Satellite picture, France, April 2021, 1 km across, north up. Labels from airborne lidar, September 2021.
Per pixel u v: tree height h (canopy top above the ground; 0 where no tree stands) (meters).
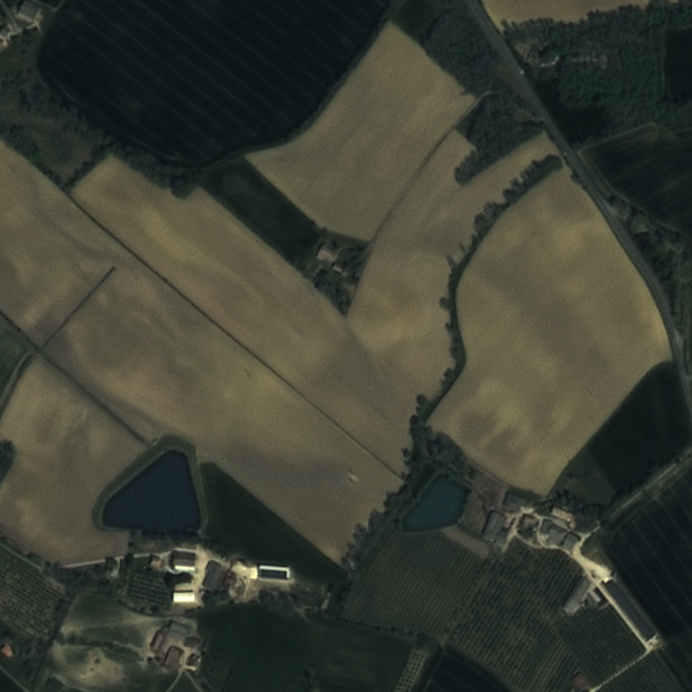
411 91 0
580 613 6
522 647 6
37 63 0
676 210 0
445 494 0
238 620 0
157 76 0
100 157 18
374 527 16
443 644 0
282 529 0
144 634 0
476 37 12
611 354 0
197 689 0
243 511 0
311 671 0
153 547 0
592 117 0
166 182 17
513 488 0
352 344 0
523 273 0
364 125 0
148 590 5
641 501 0
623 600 0
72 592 14
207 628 0
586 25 12
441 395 0
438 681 0
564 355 0
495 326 0
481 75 17
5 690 0
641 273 0
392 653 0
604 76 18
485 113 18
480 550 0
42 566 11
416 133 0
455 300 0
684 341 11
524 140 21
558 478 0
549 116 0
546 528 0
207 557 0
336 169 0
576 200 0
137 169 20
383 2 0
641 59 21
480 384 0
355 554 16
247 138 0
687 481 0
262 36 0
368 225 0
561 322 0
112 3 0
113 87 0
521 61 10
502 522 0
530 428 0
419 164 0
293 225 0
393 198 0
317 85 0
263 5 0
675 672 0
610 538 0
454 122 0
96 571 7
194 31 0
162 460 0
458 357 15
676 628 0
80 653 0
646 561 0
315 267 0
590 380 0
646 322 0
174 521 0
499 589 5
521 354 0
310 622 0
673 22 25
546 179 17
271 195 0
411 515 0
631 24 23
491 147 21
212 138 0
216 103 0
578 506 14
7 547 13
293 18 0
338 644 0
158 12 0
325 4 0
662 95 6
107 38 0
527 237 0
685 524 0
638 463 0
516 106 20
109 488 0
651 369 0
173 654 0
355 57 0
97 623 0
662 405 0
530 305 0
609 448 0
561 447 0
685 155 0
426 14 0
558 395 0
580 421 0
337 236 0
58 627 18
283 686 0
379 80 0
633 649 6
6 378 0
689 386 0
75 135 20
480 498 0
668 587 0
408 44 0
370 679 0
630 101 17
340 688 0
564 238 0
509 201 17
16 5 0
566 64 23
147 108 0
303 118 0
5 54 0
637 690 6
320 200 0
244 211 0
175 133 0
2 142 15
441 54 17
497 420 0
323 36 0
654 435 0
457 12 10
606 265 0
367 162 0
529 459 0
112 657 0
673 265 21
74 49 0
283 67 0
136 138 0
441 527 0
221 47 0
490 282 0
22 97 0
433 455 27
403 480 8
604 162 0
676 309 15
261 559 0
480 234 10
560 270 0
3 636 7
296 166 0
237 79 0
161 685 0
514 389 0
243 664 0
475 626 5
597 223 0
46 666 0
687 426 0
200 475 0
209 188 0
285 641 0
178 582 12
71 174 0
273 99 0
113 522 0
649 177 0
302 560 0
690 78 0
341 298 9
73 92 0
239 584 0
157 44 0
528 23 0
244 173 0
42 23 0
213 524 0
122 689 0
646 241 7
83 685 0
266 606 19
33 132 0
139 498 0
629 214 17
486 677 0
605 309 0
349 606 15
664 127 19
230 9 0
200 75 0
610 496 0
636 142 0
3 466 14
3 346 0
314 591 0
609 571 0
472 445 0
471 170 20
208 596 9
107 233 7
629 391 0
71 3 0
